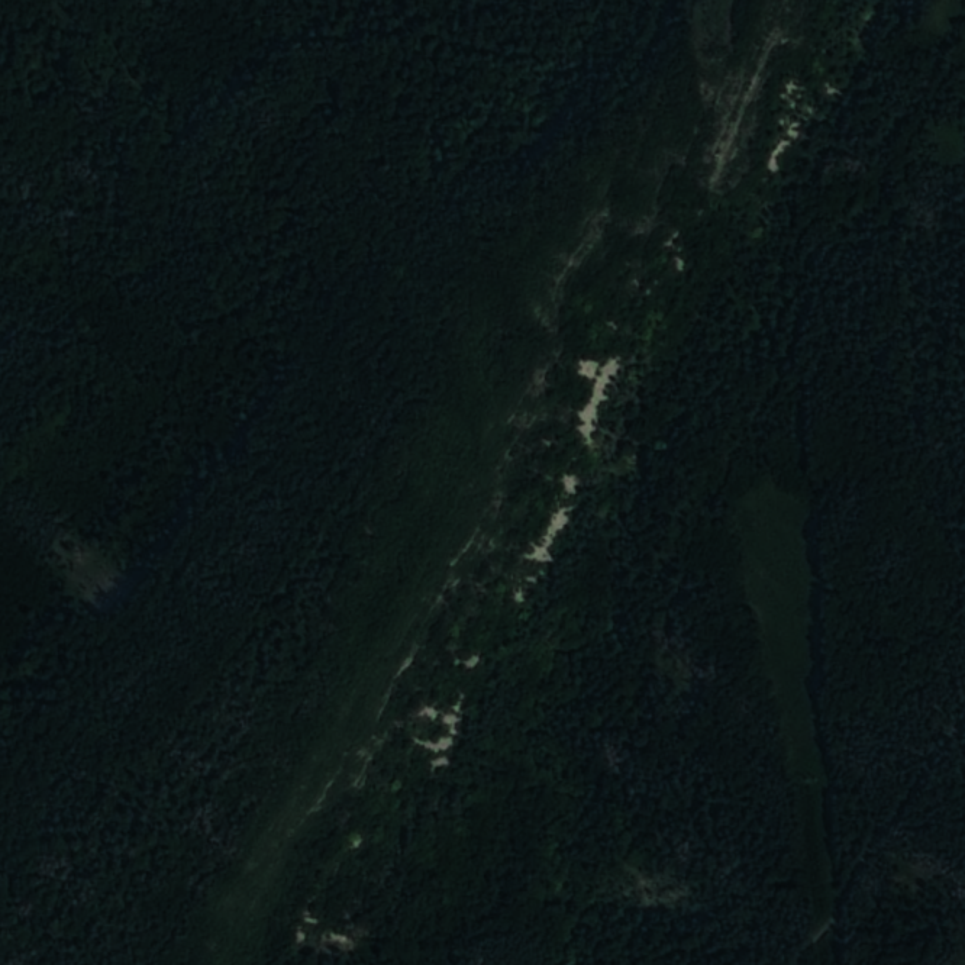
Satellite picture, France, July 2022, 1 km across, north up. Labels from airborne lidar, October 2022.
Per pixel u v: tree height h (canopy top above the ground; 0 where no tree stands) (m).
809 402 29
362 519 15
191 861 11
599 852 22
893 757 30
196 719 13
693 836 25
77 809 22
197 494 29
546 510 11
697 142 13
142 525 8
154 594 24
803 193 27
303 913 15
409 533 12
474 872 11
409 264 16
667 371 15
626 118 15
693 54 14
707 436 44
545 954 18
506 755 30
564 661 33
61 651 17
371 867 19
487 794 32
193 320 8
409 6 33
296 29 22
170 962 11
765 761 23
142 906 9
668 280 6
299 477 16
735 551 12
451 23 23
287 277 23
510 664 21
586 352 12
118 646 23
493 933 27
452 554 7
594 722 24
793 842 28
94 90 29
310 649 16
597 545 31
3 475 24
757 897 27
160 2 7
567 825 33
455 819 24
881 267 27
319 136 31
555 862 36
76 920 14
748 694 30
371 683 8
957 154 0
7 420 21
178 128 11
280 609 20
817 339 24
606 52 19
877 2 6
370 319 25
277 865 6
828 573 37
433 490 12
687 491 30
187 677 21
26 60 22
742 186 8
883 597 29
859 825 25
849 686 27
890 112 23
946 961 27
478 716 23
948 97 14
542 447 13
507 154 23
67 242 17
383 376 22
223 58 15
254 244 32
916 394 12
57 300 22
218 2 18
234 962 8
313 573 20
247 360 14
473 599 11
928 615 22
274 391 18
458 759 26
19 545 12
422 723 8
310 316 34
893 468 31
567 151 18
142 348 11
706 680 31
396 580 17
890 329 24
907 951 27
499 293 13
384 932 23
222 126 18
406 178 33
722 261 22
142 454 13
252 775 15
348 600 9
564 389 13
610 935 29
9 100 33
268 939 22
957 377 26
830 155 30
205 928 7
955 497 28
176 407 12
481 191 16
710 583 8
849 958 25
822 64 11
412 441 13
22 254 14
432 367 16
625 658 33
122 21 24
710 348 19
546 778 33
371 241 33
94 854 9
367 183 21
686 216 10
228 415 11
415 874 25
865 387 29
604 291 14
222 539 21
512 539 16
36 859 20
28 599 12
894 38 35
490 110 24
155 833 25
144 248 33
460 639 12
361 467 19
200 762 19
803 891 21
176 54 13
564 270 24
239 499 19
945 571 27
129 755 16
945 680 26
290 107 21
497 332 20
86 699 23
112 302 13
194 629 20
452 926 7
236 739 13
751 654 35
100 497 11
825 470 35
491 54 36
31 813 17
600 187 10
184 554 15
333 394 24
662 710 35
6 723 34
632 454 32
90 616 35
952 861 29
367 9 21
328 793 6
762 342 25
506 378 15
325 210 37
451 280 22
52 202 17
